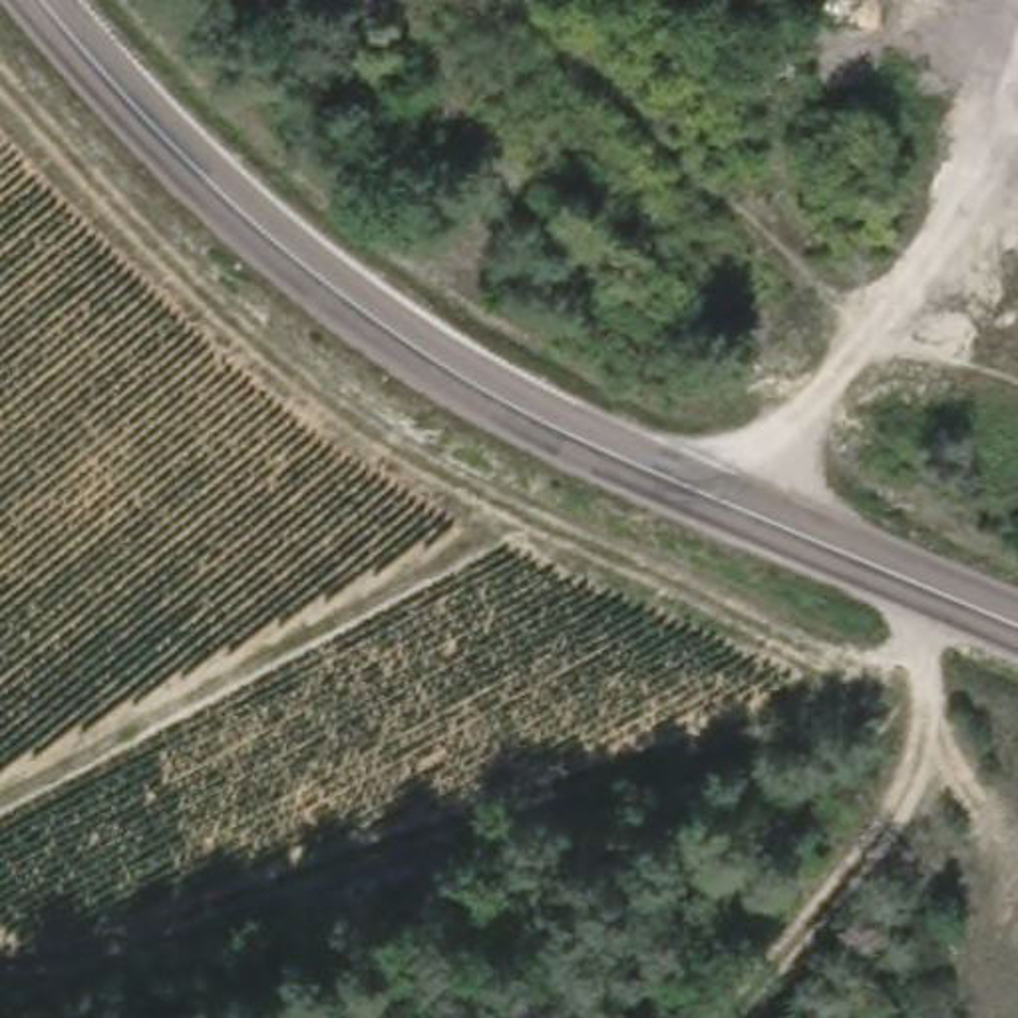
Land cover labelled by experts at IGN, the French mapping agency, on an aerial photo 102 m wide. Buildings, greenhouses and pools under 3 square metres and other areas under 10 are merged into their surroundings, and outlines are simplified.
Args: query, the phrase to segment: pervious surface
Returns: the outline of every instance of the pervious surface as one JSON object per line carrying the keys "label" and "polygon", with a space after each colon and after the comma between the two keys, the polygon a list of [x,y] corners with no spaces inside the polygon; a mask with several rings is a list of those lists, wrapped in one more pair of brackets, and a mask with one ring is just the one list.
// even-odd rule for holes
{"label": "pervious surface", "polygon": [[815,887],[803,895],[799,911],[787,919],[787,927],[767,950],[783,974],[815,938],[811,919],[843,883],[843,875],[859,859],[879,863],[891,851],[899,827],[919,811],[923,795],[938,799],[942,791],[954,791],[970,823],[982,855],[990,855],[1018,831],[1018,827],[1006,819],[998,791],[990,791],[986,783],[966,760],[958,732],[946,716],[942,652],[950,652],[962,632],[931,624],[899,604],[891,604],[891,612],[883,616],[887,640],[871,648],[871,676],[883,680],[887,672],[907,672],[911,724],[903,740],[895,779],[883,791],[883,807],[867,819],[859,835],[851,835],[847,851],[827,859],[827,871],[815,879]]}
{"label": "pervious surface", "polygon": [[1018,251],[1018,0],[827,0],[827,16],[819,28],[819,68],[827,80],[859,56],[875,64],[887,48],[899,48],[903,56],[927,56],[931,64],[919,80],[919,91],[942,95],[942,103],[950,107],[946,159],[934,171],[931,215],[923,231],[879,282],[859,286],[843,298],[843,306],[835,310],[835,342],[815,374],[748,378],[752,394],[760,394],[764,406],[764,414],[752,425],[732,433],[684,437],[676,453],[712,469],[752,473],[760,481],[771,481],[775,489],[807,497],[811,505],[819,505],[831,489],[823,481],[819,445],[827,433],[831,406],[843,398],[847,382],[867,362],[883,358],[927,358],[942,366],[966,366],[974,346],[974,322],[990,302],[1002,298],[998,262],[1006,251]]}

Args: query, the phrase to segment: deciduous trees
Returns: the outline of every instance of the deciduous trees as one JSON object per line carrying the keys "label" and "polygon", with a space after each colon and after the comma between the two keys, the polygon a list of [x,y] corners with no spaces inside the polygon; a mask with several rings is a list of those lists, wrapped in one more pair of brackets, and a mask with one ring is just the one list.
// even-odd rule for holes
{"label": "deciduous trees", "polygon": [[783,982],[783,974],[767,950],[752,962],[740,958],[732,974],[716,986],[716,994],[696,986],[652,982],[652,998],[636,1002],[628,1018],[736,1018],[760,1006]]}
{"label": "deciduous trees", "polygon": [[632,68],[652,68],[660,80],[696,84],[696,91],[708,95],[716,111],[736,111],[740,119],[744,107],[764,95],[760,84],[779,64],[795,64],[795,72],[819,68],[819,28],[827,16],[827,0],[541,0],[541,8],[549,12],[589,12],[616,60]]}
{"label": "deciduous trees", "polygon": [[859,56],[827,80],[819,95],[803,99],[783,139],[787,147],[799,143],[815,163],[827,163],[827,171],[851,195],[887,203],[903,191],[903,183],[923,159],[915,151],[915,135],[907,135],[899,119],[899,80],[883,64],[875,64]]}

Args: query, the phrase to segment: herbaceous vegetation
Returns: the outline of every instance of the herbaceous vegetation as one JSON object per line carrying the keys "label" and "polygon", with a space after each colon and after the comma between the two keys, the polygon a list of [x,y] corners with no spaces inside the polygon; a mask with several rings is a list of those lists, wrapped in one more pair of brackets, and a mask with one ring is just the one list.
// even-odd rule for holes
{"label": "herbaceous vegetation", "polygon": [[1006,819],[1018,827],[1018,760],[1010,767],[1002,764],[1002,771],[986,783],[990,791],[998,791]]}
{"label": "herbaceous vegetation", "polygon": [[982,855],[970,823],[962,831],[950,823],[934,831],[934,843],[942,843],[958,859],[962,887],[970,899],[966,934],[946,950],[958,974],[958,990],[970,998],[970,1018],[1018,1018],[1018,831],[990,855]]}
{"label": "herbaceous vegetation", "polygon": [[1018,549],[982,533],[978,525],[962,525],[950,501],[938,501],[934,489],[919,485],[919,473],[931,445],[970,437],[982,461],[982,493],[1002,497],[1010,509],[1018,509],[1018,251],[1006,251],[998,262],[1002,298],[990,302],[974,322],[974,346],[966,366],[942,366],[927,358],[883,358],[867,362],[847,382],[843,398],[831,406],[827,433],[819,445],[823,481],[831,489],[879,529],[907,537],[958,565],[982,569],[1006,585],[1018,585]]}
{"label": "herbaceous vegetation", "polygon": [[632,505],[608,489],[585,485],[573,473],[561,473],[549,461],[537,461],[533,453],[501,441],[497,433],[429,402],[402,378],[394,378],[386,366],[342,342],[338,334],[322,330],[322,322],[310,310],[290,302],[266,274],[251,270],[235,251],[227,251],[219,235],[119,143],[119,135],[56,72],[56,64],[0,12],[0,151],[44,195],[52,195],[72,215],[72,223],[80,223],[99,243],[99,251],[107,251],[123,270],[131,270],[179,318],[183,330],[199,334],[219,370],[235,366],[255,390],[282,406],[342,461],[358,461],[366,473],[382,477],[386,485],[410,493],[429,513],[441,513],[449,521],[441,537],[406,549],[386,569],[366,573],[342,593],[322,596],[298,608],[294,616],[266,624],[239,648],[215,652],[211,660],[183,676],[171,676],[143,700],[119,704],[99,724],[72,728],[44,752],[28,752],[0,767],[0,807],[20,811],[68,787],[72,779],[111,764],[115,756],[139,752],[163,728],[334,644],[350,628],[382,616],[414,593],[425,593],[437,581],[465,573],[497,549],[513,549],[537,565],[549,565],[561,581],[585,585],[593,593],[648,604],[656,616],[672,624],[696,628],[708,616],[720,624],[720,644],[728,644],[740,656],[752,656],[756,664],[787,672],[791,684],[815,680],[819,672],[835,672],[847,680],[871,676],[871,648],[887,640],[883,616],[871,604],[843,596],[839,589],[795,577],[760,557],[724,549],[708,537],[696,537],[692,529],[652,517],[648,505]]}

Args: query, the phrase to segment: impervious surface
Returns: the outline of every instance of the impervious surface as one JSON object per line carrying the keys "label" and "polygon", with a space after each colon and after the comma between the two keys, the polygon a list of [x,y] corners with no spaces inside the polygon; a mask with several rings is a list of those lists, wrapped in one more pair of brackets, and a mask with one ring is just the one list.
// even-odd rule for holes
{"label": "impervious surface", "polygon": [[414,294],[398,290],[386,274],[366,266],[326,231],[318,231],[302,211],[294,211],[207,123],[199,123],[199,115],[171,95],[171,87],[139,60],[139,52],[123,44],[123,36],[91,0],[0,0],[0,12],[56,64],[56,72],[119,135],[119,143],[219,235],[227,251],[235,251],[251,270],[266,274],[290,302],[310,310],[322,322],[322,330],[338,334],[342,342],[386,366],[394,378],[402,378],[429,402],[497,433],[501,441],[533,453],[537,461],[549,461],[561,473],[573,473],[585,485],[608,489],[632,505],[648,505],[652,517],[692,529],[696,537],[708,537],[724,549],[760,557],[795,577],[839,589],[843,596],[871,604],[883,616],[891,612],[891,604],[899,604],[931,624],[962,632],[950,652],[1018,672],[1018,585],[1006,585],[982,569],[958,565],[907,537],[879,529],[831,489],[819,505],[811,505],[807,497],[775,489],[771,481],[760,481],[752,473],[712,469],[676,453],[684,437],[648,429],[624,414],[608,414],[553,386],[549,378],[461,334],[429,306],[422,306]]}

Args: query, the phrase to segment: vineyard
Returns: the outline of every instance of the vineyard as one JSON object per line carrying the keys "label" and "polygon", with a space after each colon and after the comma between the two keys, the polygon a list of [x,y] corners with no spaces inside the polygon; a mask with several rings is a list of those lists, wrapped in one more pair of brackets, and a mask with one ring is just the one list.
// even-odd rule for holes
{"label": "vineyard", "polygon": [[143,700],[171,676],[183,676],[211,660],[215,652],[239,648],[266,624],[294,616],[298,608],[322,596],[342,593],[366,573],[386,569],[406,549],[441,537],[449,521],[441,513],[429,513],[410,493],[386,485],[382,477],[366,473],[358,461],[342,461],[282,406],[255,390],[235,366],[219,370],[199,334],[183,330],[179,318],[131,270],[123,270],[107,251],[99,251],[99,243],[80,223],[72,223],[72,215],[52,195],[44,195],[0,151],[0,767],[28,752],[44,752],[72,728],[99,724],[119,704]]}
{"label": "vineyard", "polygon": [[648,604],[593,593],[585,585],[561,581],[549,565],[537,565],[513,549],[497,549],[465,573],[437,581],[425,593],[414,593],[382,616],[350,628],[334,644],[163,728],[139,752],[115,756],[111,764],[72,779],[68,787],[20,811],[0,807],[0,990],[8,982],[64,986],[91,974],[123,978],[147,946],[203,938],[227,919],[251,911],[326,911],[338,895],[354,895],[382,911],[382,903],[402,895],[402,887],[422,871],[425,859],[449,847],[449,835],[469,811],[469,803],[453,791],[473,791],[481,783],[481,767],[497,760],[505,744],[517,740],[577,740],[585,752],[628,752],[636,767],[692,767],[740,756],[752,767],[756,760],[771,760],[775,767],[807,767],[807,756],[819,740],[863,748],[867,736],[879,728],[903,740],[911,724],[907,672],[887,672],[883,680],[871,676],[847,680],[835,672],[819,672],[815,680],[791,684],[787,672],[756,664],[752,656],[740,656],[728,644],[720,644],[720,624],[708,616],[696,628],[672,624],[656,616]]}

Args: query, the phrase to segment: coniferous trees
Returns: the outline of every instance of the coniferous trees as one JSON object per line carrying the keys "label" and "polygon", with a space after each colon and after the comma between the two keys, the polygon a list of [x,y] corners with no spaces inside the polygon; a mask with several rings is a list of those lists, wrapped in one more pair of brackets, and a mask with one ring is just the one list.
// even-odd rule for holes
{"label": "coniferous trees", "polygon": [[779,64],[760,84],[764,95],[744,107],[740,119],[736,111],[716,111],[708,95],[696,91],[696,84],[660,80],[652,68],[632,68],[616,60],[589,12],[549,12],[541,8],[541,0],[91,0],[123,36],[123,44],[139,52],[139,60],[171,87],[171,95],[199,115],[199,123],[207,123],[294,211],[302,211],[318,231],[326,231],[366,266],[386,274],[398,290],[414,294],[422,306],[429,306],[461,334],[549,378],[553,386],[608,414],[624,414],[648,429],[684,437],[732,433],[752,425],[764,414],[764,406],[760,394],[752,394],[748,378],[815,374],[835,342],[835,310],[843,306],[843,298],[859,286],[879,282],[923,231],[931,215],[934,171],[946,159],[950,107],[942,103],[942,95],[919,91],[919,80],[931,64],[927,56],[903,56],[899,48],[887,48],[875,64],[883,64],[899,80],[899,119],[907,135],[915,135],[915,151],[923,159],[903,183],[903,191],[887,203],[851,195],[827,171],[827,163],[815,163],[799,143],[787,147],[783,139],[803,99],[819,95],[827,80],[819,68],[795,72],[795,64]]}
{"label": "coniferous trees", "polygon": [[962,525],[978,525],[982,533],[1018,549],[1018,509],[1010,509],[1002,497],[982,493],[982,461],[970,437],[931,445],[919,473],[919,485],[934,489],[938,501],[950,501]]}
{"label": "coniferous trees", "polygon": [[946,716],[958,732],[966,760],[986,783],[1002,771],[1002,764],[1010,767],[1018,760],[1018,672],[950,652],[942,652]]}
{"label": "coniferous trees", "polygon": [[899,827],[891,851],[879,863],[859,859],[843,875],[843,883],[811,919],[815,938],[783,974],[783,982],[760,1006],[736,1018],[970,1018],[970,998],[958,990],[958,974],[946,950],[966,934],[970,899],[962,887],[958,859],[942,843],[934,843],[934,831],[950,823],[962,831],[970,823],[954,791],[942,791],[938,799],[923,795],[919,811]]}
{"label": "coniferous trees", "polygon": [[469,811],[449,835],[449,847],[425,859],[422,871],[402,887],[402,895],[382,903],[382,911],[354,895],[338,895],[326,911],[251,911],[227,919],[203,938],[147,946],[123,978],[91,974],[64,986],[8,982],[0,990],[0,1018],[628,1018],[636,1002],[652,998],[652,982],[696,986],[716,994],[716,986],[732,974],[740,958],[752,962],[767,950],[787,927],[787,919],[799,911],[803,895],[815,887],[815,879],[827,871],[827,859],[847,851],[851,835],[859,835],[867,819],[883,807],[883,791],[895,779],[903,740],[879,728],[867,736],[863,748],[819,740],[807,756],[807,767],[775,767],[771,760],[756,760],[752,767],[740,756],[692,767],[636,767],[628,752],[585,752],[577,740],[517,740],[505,744],[497,760],[481,767],[481,783],[473,791],[453,791],[469,803]]}

